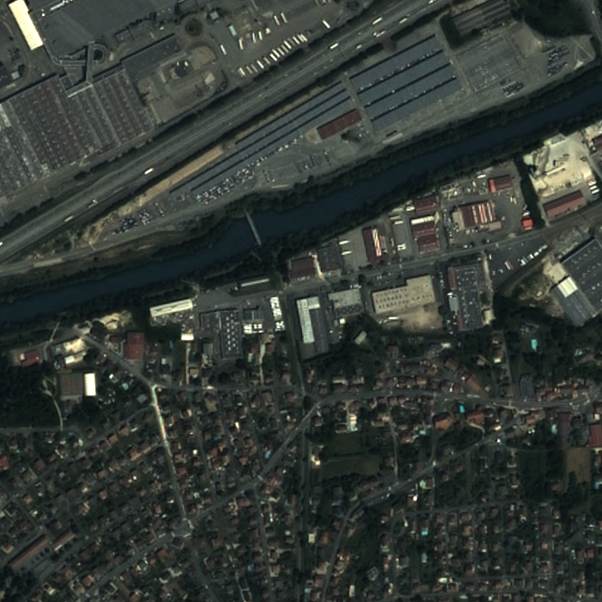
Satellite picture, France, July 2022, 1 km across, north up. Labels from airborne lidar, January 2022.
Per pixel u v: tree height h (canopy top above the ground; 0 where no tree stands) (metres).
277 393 0
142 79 0
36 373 19
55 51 0
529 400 0
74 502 0
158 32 0
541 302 0
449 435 12
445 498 5
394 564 0
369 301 0
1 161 0
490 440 0
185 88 0
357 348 11
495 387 0
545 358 9
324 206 0
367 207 13
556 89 9
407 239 0
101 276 13
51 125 0
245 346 10
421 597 13
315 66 0
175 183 0
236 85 0
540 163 0
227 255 0
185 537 0
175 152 0
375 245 0
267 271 13
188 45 0
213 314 0
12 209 0
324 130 0
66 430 0
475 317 0
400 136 0
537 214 16
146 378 0
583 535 0
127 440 0
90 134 0
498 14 0
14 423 0
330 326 0
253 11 0
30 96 0
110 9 0
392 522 0
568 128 13
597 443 0
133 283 0
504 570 0
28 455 0
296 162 0
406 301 0
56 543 0
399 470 5
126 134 0
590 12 0
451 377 0
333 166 0
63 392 0
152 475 0
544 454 0
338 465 0
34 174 0
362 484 0
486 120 14
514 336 18
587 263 0
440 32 0
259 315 0
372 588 0
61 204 0
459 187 0
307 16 0
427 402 0
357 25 0
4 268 0
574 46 0
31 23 0
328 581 0
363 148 0
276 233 0
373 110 0
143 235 0
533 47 0
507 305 12
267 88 0
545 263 0
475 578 0
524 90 0
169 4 0
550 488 7
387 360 0
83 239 0
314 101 0
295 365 0
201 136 0
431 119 0
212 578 0
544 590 0
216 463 0
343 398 0
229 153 0
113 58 0
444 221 0
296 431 0
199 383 12
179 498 0
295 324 0
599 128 0
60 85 0
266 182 0
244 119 0
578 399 0
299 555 0
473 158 6
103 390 15
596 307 0
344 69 9
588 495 6
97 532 0
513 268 0
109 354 0
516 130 0
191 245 10
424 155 0
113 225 0
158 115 0
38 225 0
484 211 0
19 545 0
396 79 0
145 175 0
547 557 0
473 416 0
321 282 0
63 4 0
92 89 0
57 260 0
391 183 0
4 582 10
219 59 0
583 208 0
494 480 11
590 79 13
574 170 0
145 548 0
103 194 0
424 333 0
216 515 0
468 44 0
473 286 0
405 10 0
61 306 0
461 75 0
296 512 0
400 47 0
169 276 0
